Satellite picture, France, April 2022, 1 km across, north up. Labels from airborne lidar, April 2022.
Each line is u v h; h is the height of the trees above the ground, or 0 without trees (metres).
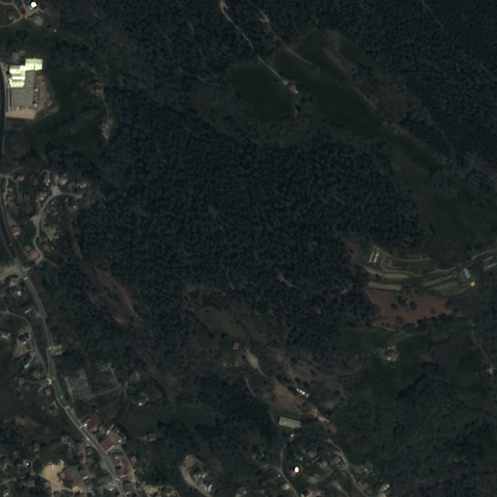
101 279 0
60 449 0
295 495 0
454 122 22
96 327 15
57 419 0
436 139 24
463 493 17
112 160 19
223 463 21
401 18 26
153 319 32
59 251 11
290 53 0
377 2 23
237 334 0
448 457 13
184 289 21
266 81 0
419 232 31
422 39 28
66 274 27
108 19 20
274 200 24
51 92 0
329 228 30
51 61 0
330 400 22
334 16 20
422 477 17
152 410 9
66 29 19
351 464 0
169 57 36
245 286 16
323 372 17
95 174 25
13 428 12
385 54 29
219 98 12
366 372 0
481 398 0
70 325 10
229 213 29
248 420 18
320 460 0
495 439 0
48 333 0
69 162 30
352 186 28
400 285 0
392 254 9
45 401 0
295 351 16
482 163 30
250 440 16
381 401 0
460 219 0
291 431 0
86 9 30
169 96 25
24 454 8
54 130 0
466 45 29
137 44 23
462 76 31
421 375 0
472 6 21
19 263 0
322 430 26
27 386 11
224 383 7
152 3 34
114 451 0
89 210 0
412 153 0
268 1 31
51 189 0
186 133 23
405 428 18
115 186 13
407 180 0
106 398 0
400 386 0
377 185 24
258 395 19
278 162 31
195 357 14
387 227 25
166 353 10
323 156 23
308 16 31
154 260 27
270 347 15
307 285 23
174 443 23
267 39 29
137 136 32
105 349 22
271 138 14
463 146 24
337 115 0
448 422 17
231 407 29
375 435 15
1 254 19
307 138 14
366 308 31
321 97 0
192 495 6
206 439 26
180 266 30
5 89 0
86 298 26
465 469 13
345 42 0
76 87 6
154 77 23
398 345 0
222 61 12
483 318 12
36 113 0
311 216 31
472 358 0
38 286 0
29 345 0
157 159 33
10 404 0
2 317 0
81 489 0
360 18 26
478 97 29
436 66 31
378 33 24
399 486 11
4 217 0
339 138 10
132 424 0
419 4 31
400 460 11
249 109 11
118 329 26
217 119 8
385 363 0
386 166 14
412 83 22
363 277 24
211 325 0
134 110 24
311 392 22
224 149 32
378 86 23
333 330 27
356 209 23
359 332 0
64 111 0
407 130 20
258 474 7
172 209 29
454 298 6
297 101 0
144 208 27
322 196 15
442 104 21
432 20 22
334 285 26
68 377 0
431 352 15
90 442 0
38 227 0
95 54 17
